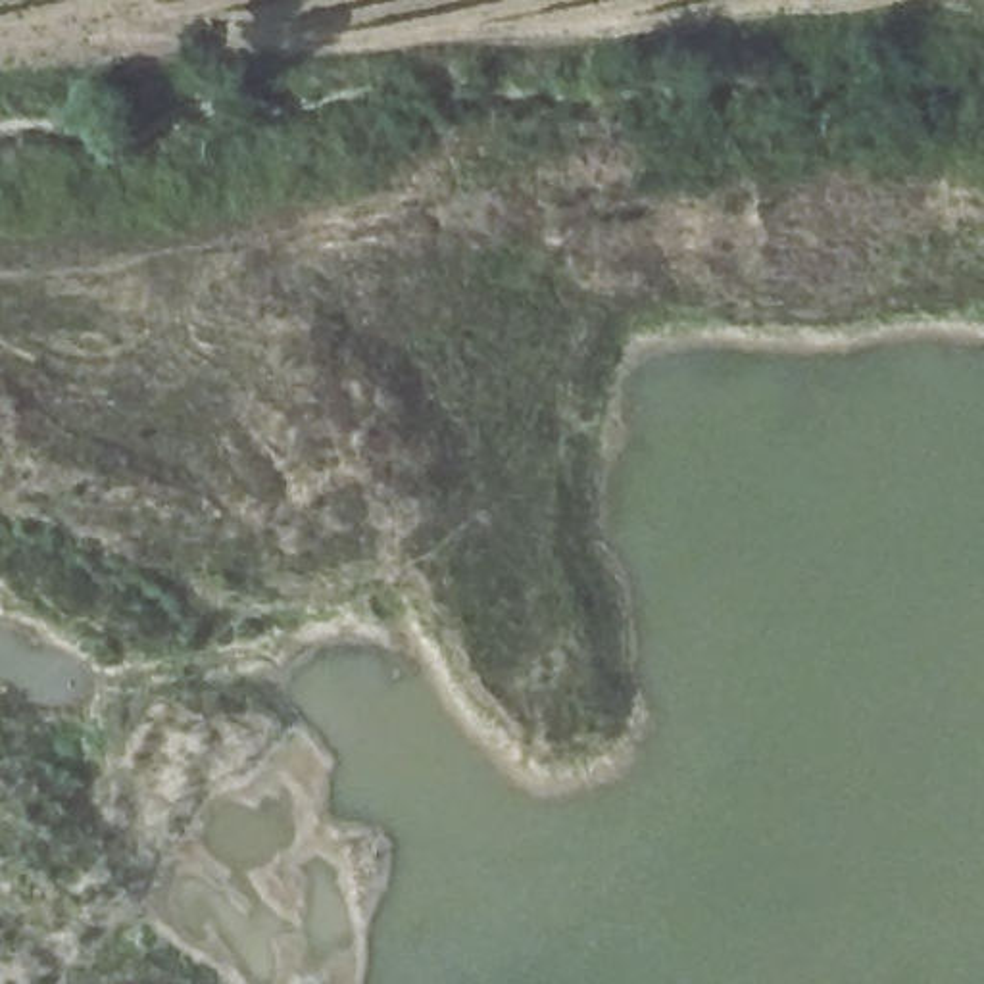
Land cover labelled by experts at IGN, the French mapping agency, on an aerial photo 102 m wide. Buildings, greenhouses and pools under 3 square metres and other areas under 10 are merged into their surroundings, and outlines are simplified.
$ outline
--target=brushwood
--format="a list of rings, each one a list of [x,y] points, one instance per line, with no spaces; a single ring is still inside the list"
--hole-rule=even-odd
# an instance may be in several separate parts
[[[638,58],[627,35],[577,42],[423,42],[407,50],[373,50],[373,58],[384,65],[384,85],[377,92],[319,111],[300,108],[292,123],[269,127],[254,119],[250,100],[242,92],[238,50],[227,46],[227,27],[219,19],[208,19],[188,23],[181,31],[177,50],[158,58],[173,88],[204,108],[204,119],[173,123],[169,138],[158,142],[154,158],[123,150],[127,108],[111,88],[104,88],[104,65],[0,69],[0,238],[42,242],[96,231],[146,238],[177,234],[185,227],[204,223],[258,219],[277,208],[342,208],[357,196],[388,192],[396,173],[419,169],[419,161],[427,161],[438,150],[438,131],[446,123],[461,127],[469,119],[488,119],[496,111],[511,119],[530,119],[554,100],[588,104],[596,119],[623,135],[623,142],[634,142],[634,173],[627,188],[638,204],[650,204],[653,192],[700,196],[726,181],[815,181],[830,177],[830,169],[857,173],[857,181],[896,173],[903,181],[942,181],[953,158],[984,158],[984,100],[957,100],[953,88],[926,88],[923,46],[899,58],[888,38],[865,38],[865,19],[853,15],[765,19],[788,42],[788,50],[780,62],[750,65],[738,77],[730,104],[719,111],[707,100],[703,65],[696,54],[688,54],[684,46],[669,46],[661,58]]]

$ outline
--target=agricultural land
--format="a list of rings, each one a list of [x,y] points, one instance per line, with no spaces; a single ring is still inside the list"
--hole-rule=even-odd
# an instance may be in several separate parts
[[[308,62],[315,50],[331,42],[338,42],[342,54],[373,50],[407,50],[423,42],[577,42],[627,35],[642,35],[677,19],[765,19],[853,15],[849,0],[0,0],[0,69],[104,65],[131,54],[158,58],[177,50],[181,31],[188,23],[208,19],[219,19],[227,27],[227,46],[238,50],[288,50],[300,62]]]

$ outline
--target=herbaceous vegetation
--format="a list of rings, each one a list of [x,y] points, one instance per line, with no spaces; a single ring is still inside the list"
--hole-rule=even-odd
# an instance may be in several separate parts
[[[984,0],[849,0],[853,15],[865,19],[865,38],[888,38],[899,58],[923,46],[926,88],[953,88],[957,100],[984,100]]]
[[[104,65],[104,88],[111,88],[127,108],[123,150],[154,158],[158,142],[169,138],[173,123],[204,119],[204,108],[173,88],[158,58],[131,54]]]
[[[565,277],[561,250],[546,246],[542,211],[534,196],[527,196],[515,185],[523,177],[534,177],[538,165],[561,158],[627,161],[634,173],[634,142],[623,142],[623,135],[596,119],[588,104],[554,100],[530,119],[511,119],[496,111],[488,119],[469,119],[461,127],[446,123],[438,131],[438,150],[427,161],[419,161],[419,169],[396,173],[388,192],[357,196],[342,208],[277,208],[258,219],[204,223],[185,227],[177,234],[146,238],[96,231],[42,242],[0,238],[0,438],[15,431],[15,438],[31,446],[31,457],[96,473],[88,484],[27,492],[23,504],[35,507],[31,519],[12,519],[0,511],[0,577],[12,584],[12,592],[23,600],[31,615],[42,615],[58,630],[81,638],[81,646],[100,661],[123,665],[127,677],[88,673],[73,684],[69,703],[35,703],[23,688],[0,692],[0,984],[223,984],[211,969],[165,946],[154,934],[154,926],[85,926],[77,938],[77,965],[62,965],[50,942],[58,930],[65,930],[69,911],[77,907],[115,899],[123,892],[131,899],[150,896],[158,865],[138,861],[142,815],[135,784],[150,769],[165,769],[165,738],[173,730],[200,734],[204,715],[231,719],[242,711],[261,711],[273,723],[296,726],[304,707],[261,677],[204,680],[208,669],[219,669],[219,650],[211,642],[258,638],[273,627],[300,630],[304,623],[327,623],[342,607],[354,607],[357,615],[373,615],[388,627],[388,634],[377,642],[392,653],[407,653],[415,642],[404,619],[419,615],[419,623],[438,646],[461,630],[473,673],[480,677],[484,692],[504,703],[515,726],[523,746],[530,738],[565,742],[573,734],[611,738],[619,738],[627,726],[634,680],[623,669],[615,580],[592,550],[596,515],[588,500],[596,488],[592,465],[600,461],[600,446],[565,427],[557,411],[577,407],[584,419],[592,419],[607,411],[607,381],[623,357],[627,338],[638,331],[653,331],[665,323],[780,323],[834,331],[849,323],[892,323],[903,315],[961,315],[984,323],[984,158],[953,158],[942,181],[903,181],[896,173],[857,181],[857,173],[830,169],[830,177],[815,181],[726,181],[700,196],[707,208],[734,215],[761,211],[769,281],[746,277],[734,258],[734,242],[715,238],[707,250],[627,250],[615,258],[611,273],[642,273],[638,292],[584,292]],[[308,504],[292,504],[284,477],[250,438],[250,431],[261,427],[273,411],[281,411],[288,423],[296,423],[300,415],[319,415],[334,419],[342,431],[365,434],[361,446],[369,477],[346,480],[342,488],[327,488]]]
[[[669,46],[684,46],[688,54],[696,54],[703,65],[707,100],[719,111],[730,104],[738,77],[750,65],[780,62],[788,50],[788,42],[765,19],[677,19],[642,35],[627,35],[638,58],[661,58]]]
[[[308,62],[300,62],[288,50],[238,50],[242,92],[250,100],[254,119],[269,127],[292,123],[300,108],[319,111],[377,92],[384,85],[384,65],[373,58],[373,50],[342,54],[338,42],[331,42],[315,50]]]

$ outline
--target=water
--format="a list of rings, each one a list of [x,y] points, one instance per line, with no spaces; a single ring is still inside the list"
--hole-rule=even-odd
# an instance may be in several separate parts
[[[250,888],[250,869],[265,865],[277,849],[292,846],[292,800],[273,796],[258,807],[238,807],[223,800],[204,826],[204,849],[231,869],[231,884],[238,892]]]
[[[607,753],[569,765],[530,761],[523,746],[515,726],[496,726],[469,703],[438,646],[419,623],[419,615],[404,619],[415,642],[407,653],[392,653],[377,642],[354,634],[338,634],[327,642],[296,642],[284,665],[261,677],[304,707],[296,726],[304,726],[331,753],[323,815],[338,826],[365,826],[388,846],[388,880],[365,923],[361,984],[984,984],[984,338],[915,334],[880,338],[849,350],[776,350],[734,342],[696,342],[677,350],[653,346],[627,377],[623,446],[611,457],[607,484],[596,488],[588,500],[596,515],[592,550],[615,580],[623,669],[634,680],[627,726],[619,738],[611,738]]]
[[[0,692],[23,688],[35,703],[69,703],[73,684],[88,673],[77,657],[42,642],[35,630],[19,623],[0,623]]]

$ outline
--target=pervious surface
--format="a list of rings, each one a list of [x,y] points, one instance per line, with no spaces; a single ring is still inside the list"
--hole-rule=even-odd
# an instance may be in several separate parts
[[[469,703],[496,726],[515,726],[504,703],[484,692],[480,677],[473,673],[461,630],[438,646]]]
[[[573,734],[565,742],[530,738],[523,746],[530,761],[569,765],[607,753],[611,738]]]
[[[565,277],[584,292],[638,292],[642,273],[611,273],[615,258],[627,250],[707,250],[715,238],[734,242],[734,258],[746,277],[769,281],[761,211],[734,215],[707,208],[700,196],[653,192],[650,204],[638,204],[627,188],[634,173],[627,161],[561,158],[538,165],[534,177],[523,177],[515,185],[527,196],[534,196],[542,211],[546,246],[561,250]]]
[[[0,438],[0,511],[12,519],[31,519],[35,507],[23,504],[27,492],[88,484],[96,473],[31,457],[31,446],[15,438],[15,431]]]
[[[342,488],[346,480],[369,477],[361,446],[365,434],[342,431],[334,419],[319,415],[300,415],[296,423],[288,423],[281,411],[273,411],[261,427],[250,431],[250,438],[284,477],[292,504],[308,504],[327,488]]]
[[[242,711],[231,719],[204,715],[200,734],[173,730],[165,738],[165,769],[150,769],[135,784],[142,815],[138,861],[158,865],[150,896],[131,899],[123,892],[115,899],[77,907],[69,911],[65,930],[58,930],[50,942],[62,965],[77,965],[77,938],[85,926],[154,926],[154,934],[165,946],[211,969],[223,984],[361,984],[365,923],[388,880],[388,846],[365,826],[338,826],[323,815],[331,753],[304,726],[296,726],[273,723],[261,711]],[[231,884],[231,869],[204,849],[204,826],[223,800],[238,807],[258,807],[273,796],[292,800],[292,846],[277,849],[265,865],[250,869],[250,888],[238,892]]]
[[[327,623],[304,623],[300,630],[273,627],[258,638],[211,642],[219,650],[219,669],[208,669],[204,680],[261,677],[284,665],[296,642],[327,642],[338,634],[354,634],[377,642],[388,634],[388,627],[373,615],[357,615],[354,607],[342,607]]]
[[[557,411],[565,427],[600,446],[600,461],[592,465],[596,488],[607,484],[611,457],[623,446],[627,377],[653,346],[677,350],[696,342],[734,342],[776,350],[849,350],[880,338],[915,334],[984,338],[984,323],[961,315],[903,315],[892,323],[849,323],[834,331],[780,323],[665,323],[653,331],[638,331],[627,338],[623,357],[607,381],[607,411],[592,419],[584,419],[577,407]]]
[[[0,577],[0,623],[19,623],[35,630],[42,642],[77,657],[88,673],[127,677],[123,665],[100,661],[81,646],[81,638],[58,630],[42,615],[31,615],[23,600],[12,592],[12,584]]]

